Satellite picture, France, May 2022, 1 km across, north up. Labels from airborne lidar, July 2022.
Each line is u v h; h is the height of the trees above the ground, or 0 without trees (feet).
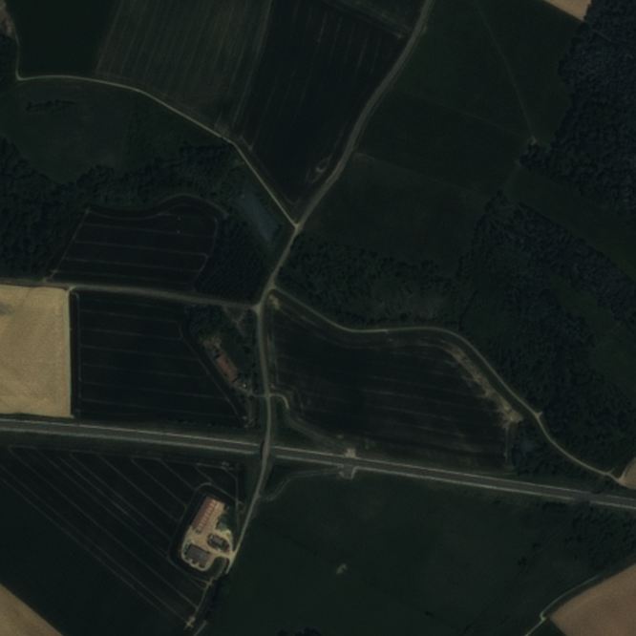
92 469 0
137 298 0
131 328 0
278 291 0
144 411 0
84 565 0
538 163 41
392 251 0
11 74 57
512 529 0
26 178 75
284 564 0
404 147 0
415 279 50
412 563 0
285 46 0
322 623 0
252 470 0
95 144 0
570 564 0
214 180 73
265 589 0
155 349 0
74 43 0
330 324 0
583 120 74
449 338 0
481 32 0
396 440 0
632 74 81
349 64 0
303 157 0
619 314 83
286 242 0
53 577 0
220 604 44
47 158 0
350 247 21
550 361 63
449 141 0
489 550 0
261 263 72
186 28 0
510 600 0
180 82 0
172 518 0
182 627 0
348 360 0
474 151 0
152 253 0
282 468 18
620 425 79
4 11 0
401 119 0
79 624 0
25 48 0
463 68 0
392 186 0
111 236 0
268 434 0
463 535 0
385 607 0
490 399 0
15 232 73
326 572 0
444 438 0
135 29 0
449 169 0
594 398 79
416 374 0
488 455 0
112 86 0
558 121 0
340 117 0
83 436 0
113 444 0
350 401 0
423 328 0
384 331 0
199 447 0
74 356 0
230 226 65
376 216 0
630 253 0
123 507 0
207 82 0
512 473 0
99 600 0
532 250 61
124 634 0
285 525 0
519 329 44
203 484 0
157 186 72
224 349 0
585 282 77
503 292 36
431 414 0
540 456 48
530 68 0
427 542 0
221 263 91
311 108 0
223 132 0
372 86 0
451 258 0
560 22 0
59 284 0
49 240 79
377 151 0
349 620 0
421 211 0
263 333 0
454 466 0
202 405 0
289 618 0
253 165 0
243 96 0
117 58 0
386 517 0
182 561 0
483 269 23
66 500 0
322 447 0
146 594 0
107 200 51
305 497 0
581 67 50
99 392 0
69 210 74
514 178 0
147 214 0
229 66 0
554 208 0
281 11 0
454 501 0
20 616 0
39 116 0
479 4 0
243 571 0
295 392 0
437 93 0
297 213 0
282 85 0
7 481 0
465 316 36
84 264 0
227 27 0
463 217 0
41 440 0
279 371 0
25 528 0
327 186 0
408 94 0
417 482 0
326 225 0
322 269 44
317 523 0
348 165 0
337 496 0
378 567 0
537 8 0
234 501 0
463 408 0
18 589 0
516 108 0
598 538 51
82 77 0
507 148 0
